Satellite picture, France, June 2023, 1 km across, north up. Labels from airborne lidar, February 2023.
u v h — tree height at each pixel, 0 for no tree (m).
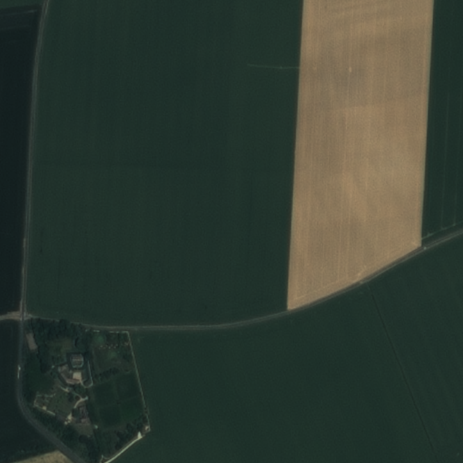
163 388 0
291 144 0
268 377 0
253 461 0
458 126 0
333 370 0
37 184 0
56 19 0
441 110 0
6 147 0
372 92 0
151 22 0
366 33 0
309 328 0
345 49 0
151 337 0
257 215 0
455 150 0
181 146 0
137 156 0
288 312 0
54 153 0
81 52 0
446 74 0
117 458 0
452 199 0
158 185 0
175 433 0
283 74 0
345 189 0
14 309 0
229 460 0
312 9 0
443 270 0
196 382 0
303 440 0
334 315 0
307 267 0
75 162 0
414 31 0
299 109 0
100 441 6
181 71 0
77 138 0
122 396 0
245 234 0
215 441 0
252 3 0
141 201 0
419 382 0
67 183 0
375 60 0
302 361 0
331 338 0
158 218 0
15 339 0
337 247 0
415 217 0
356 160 0
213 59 0
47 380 0
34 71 0
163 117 0
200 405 0
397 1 0
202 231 0
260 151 0
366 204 0
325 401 0
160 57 0
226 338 0
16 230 0
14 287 0
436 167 0
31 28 0
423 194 0
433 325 0
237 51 0
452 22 0
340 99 0
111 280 0
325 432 0
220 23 0
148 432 0
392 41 0
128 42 0
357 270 0
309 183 0
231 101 0
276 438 0
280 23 0
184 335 0
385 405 0
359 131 0
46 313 0
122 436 7
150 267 0
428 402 0
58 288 0
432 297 0
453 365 0
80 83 0
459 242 0
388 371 0
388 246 0
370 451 0
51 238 0
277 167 0
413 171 0
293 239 0
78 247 0
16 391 0
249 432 0
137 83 0
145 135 0
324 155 0
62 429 7
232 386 0
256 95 0
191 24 0
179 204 0
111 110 0
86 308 0
